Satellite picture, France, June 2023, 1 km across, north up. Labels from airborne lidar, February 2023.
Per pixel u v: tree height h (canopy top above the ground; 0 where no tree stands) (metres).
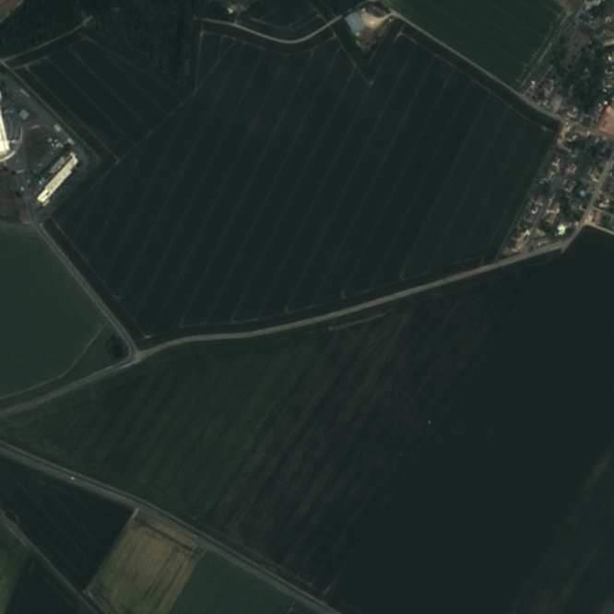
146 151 0
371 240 0
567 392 0
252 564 0
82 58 0
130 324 0
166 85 0
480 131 0
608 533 0
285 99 0
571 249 0
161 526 0
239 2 0
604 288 0
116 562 0
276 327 0
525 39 0
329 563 0
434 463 0
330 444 0
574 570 0
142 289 0
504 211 0
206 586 0
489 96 0
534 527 0
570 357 0
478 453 0
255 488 0
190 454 0
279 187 0
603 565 0
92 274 0
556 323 0
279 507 0
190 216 0
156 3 22
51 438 0
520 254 0
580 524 0
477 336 0
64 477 0
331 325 0
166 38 17
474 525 0
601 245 0
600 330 0
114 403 0
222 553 0
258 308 0
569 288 0
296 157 0
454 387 0
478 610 0
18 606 0
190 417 0
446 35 0
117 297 0
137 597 0
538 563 0
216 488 0
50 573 0
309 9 0
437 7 0
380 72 0
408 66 0
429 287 0
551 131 0
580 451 0
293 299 0
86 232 0
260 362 0
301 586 0
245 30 0
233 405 0
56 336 0
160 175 0
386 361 0
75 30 0
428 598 0
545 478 0
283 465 0
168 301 0
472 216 0
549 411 0
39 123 0
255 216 0
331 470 0
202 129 0
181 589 0
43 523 0
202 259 0
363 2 10
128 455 0
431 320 0
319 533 0
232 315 0
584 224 0
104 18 15
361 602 0
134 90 0
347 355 0
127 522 0
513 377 0
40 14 11
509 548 0
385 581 0
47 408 0
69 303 0
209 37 0
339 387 0
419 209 0
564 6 0
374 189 0
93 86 0
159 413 0
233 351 0
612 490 0
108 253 0
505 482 0
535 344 0
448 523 0
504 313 0
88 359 0
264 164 0
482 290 0
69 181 9
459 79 0
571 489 0
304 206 0
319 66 0
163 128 0
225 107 0
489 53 0
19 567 0
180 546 0
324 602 0
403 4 0
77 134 0
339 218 0
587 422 0
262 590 0
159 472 0
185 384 0
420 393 0
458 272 0
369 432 0
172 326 0
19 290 0
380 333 0
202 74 0
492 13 0
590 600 0
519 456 0
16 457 0
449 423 0
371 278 0
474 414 0
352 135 0
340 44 0
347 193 0
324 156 0
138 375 0
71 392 0
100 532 0
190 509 0
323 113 0
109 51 0
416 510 0
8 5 0
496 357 0
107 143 0
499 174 0
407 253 0
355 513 0
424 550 0
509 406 0
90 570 0
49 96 0
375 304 0
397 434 0
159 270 0
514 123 0
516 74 0
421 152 0
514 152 0
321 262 0
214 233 0
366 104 0
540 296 0
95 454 0
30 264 0
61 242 0
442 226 0
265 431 0
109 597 0
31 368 0
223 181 0
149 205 0
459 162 0
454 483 0
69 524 0
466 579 0
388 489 0
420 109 0
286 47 0
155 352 0
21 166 0
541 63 0
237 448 0
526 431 0
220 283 0
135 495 0
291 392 0
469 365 0
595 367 0
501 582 0
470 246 0
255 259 0
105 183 0
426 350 0
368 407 0
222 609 0
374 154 0
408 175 0
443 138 0
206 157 0
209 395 0
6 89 9
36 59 0
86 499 0
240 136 0
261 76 0
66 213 0
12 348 0
